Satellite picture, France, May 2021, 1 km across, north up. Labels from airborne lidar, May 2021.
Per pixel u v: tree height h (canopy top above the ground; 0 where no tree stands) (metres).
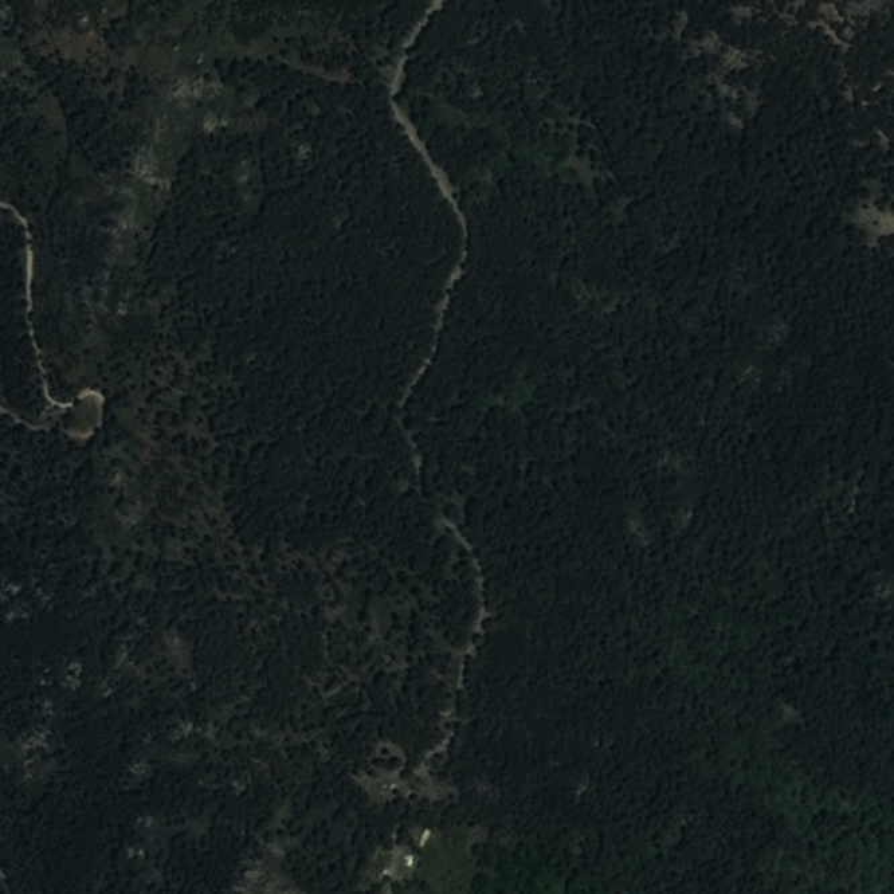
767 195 31
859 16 10
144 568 16
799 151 15
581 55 19
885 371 14
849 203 14
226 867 15
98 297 14
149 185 0
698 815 24
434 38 22
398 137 21
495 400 20
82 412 0
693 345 8
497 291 15
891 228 0
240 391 15
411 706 21
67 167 12
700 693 22
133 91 15
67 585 18
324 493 23
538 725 16
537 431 25
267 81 23
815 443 19
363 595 7
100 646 16
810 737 23
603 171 18
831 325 11
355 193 19
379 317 21
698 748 21
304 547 24
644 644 21
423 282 22
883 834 23
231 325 20
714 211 20
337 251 20
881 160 16
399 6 22
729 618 21
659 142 23
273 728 15
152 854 9
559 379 20
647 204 25
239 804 15
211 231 23
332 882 23
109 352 6
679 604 20
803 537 15
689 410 11
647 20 15
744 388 16
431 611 20
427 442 27
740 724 21
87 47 0
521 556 16
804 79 16
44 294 6
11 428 23
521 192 18
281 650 20
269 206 16
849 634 22
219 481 17
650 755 20
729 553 18
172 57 0
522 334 16
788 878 11
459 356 18
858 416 16
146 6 24
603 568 23
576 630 12
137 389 17
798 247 20
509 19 19
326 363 27
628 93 20
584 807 16
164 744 14
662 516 21
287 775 16
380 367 24
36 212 14
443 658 20
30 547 17
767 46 14
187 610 17
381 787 0
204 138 7
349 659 16
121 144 7
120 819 18
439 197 20
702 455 14
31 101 16
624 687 19
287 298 23
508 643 16
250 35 8
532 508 23
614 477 26
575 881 20
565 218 19
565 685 20
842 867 18
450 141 23
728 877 22
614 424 21
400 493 21
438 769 19
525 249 16
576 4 15
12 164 7
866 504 28
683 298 21
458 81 15
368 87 22
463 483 30
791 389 13
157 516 8
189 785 12
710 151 21
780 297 11
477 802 19
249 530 25
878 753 24
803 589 24
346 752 19
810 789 22
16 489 21
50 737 15
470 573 23
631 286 23
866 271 16
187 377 24
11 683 20
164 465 9
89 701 20
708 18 15
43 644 20
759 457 25
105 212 7
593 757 18
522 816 16
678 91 17
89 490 13
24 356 14
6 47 0
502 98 22
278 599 19
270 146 17
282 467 23
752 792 19
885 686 27
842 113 14
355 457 20
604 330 15
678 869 27
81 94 26
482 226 14
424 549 30
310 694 19
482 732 14
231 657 20
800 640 28
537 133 20
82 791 18
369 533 21
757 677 30
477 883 12
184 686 13
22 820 24
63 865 19
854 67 15
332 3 8
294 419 23
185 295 17
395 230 21
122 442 15
